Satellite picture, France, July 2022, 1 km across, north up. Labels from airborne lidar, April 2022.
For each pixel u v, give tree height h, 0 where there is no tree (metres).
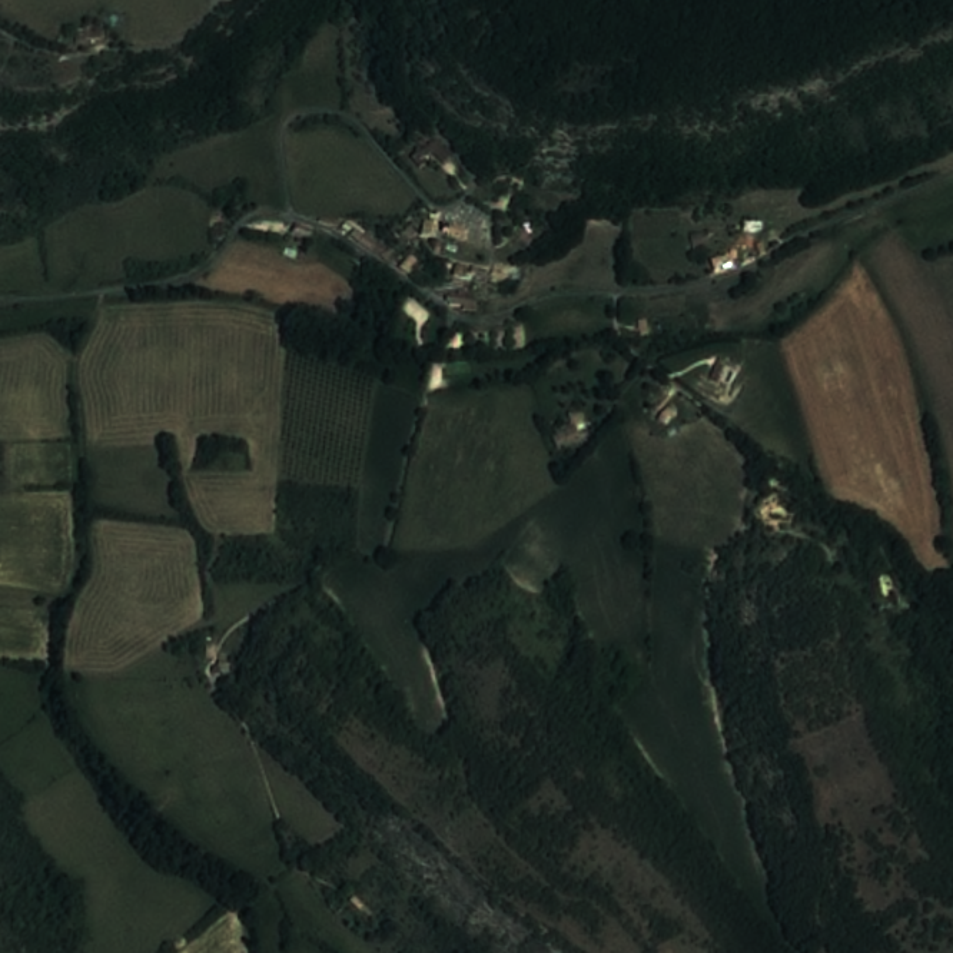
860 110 10
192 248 0
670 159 11
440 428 0
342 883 11
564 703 11
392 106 13
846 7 14
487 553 0
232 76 16
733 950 7
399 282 6
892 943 10
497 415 0
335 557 7
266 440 0
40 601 14
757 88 8
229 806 0
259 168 0
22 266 0
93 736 0
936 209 0
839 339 0
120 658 0
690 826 15
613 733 15
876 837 8
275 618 17
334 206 0
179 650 10
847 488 0
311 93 0
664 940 7
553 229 11
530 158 8
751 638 9
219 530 0
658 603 0
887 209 0
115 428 0
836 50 10
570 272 0
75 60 0
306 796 0
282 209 0
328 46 0
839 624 6
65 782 0
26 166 11
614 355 8
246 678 9
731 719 12
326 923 0
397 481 0
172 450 17
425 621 18
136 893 0
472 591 16
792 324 8
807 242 12
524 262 15
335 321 27
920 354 0
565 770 6
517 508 0
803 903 8
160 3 0
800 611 7
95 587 0
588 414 0
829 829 8
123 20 0
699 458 0
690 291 0
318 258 0
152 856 15
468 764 11
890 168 20
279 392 0
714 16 15
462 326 6
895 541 15
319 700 6
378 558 15
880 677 9
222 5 8
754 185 7
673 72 11
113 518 7
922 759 8
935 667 17
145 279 8
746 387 0
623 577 0
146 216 0
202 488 0
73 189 6
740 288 9
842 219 0
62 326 9
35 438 0
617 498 0
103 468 0
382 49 16
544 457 0
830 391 0
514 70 9
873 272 0
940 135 9
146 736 0
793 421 0
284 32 7
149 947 0
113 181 7
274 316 0
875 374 0
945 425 0
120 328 0
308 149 0
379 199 0
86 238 0
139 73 6
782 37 17
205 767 0
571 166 11
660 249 0
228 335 0
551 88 7
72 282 0
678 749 0
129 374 0
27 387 0
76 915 6
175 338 0
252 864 0
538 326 0
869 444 0
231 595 0
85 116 11
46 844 0
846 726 0
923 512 0
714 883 10
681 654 0
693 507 0
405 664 0
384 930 11
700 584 0
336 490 6
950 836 9
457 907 0
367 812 10
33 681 0
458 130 8
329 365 20
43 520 0
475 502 0
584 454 12
